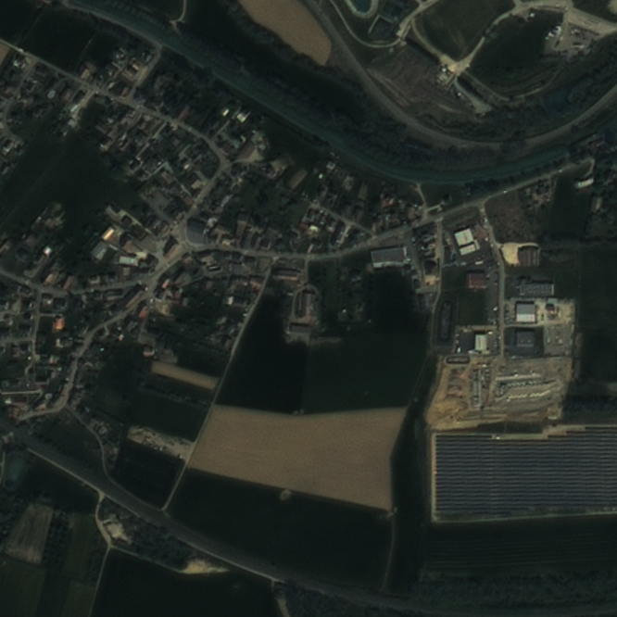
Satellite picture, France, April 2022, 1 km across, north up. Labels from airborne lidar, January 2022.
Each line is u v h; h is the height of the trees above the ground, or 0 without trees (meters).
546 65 0
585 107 23
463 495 0
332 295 0
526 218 0
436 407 0
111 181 0
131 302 0
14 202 0
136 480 0
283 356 0
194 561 0
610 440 0
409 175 0
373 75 0
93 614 0
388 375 0
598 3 0
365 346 0
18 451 12
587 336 0
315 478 0
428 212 0
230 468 0
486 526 0
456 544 0
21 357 0
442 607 0
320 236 0
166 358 0
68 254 0
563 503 0
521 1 0
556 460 0
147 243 0
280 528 0
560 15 0
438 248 0
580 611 0
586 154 17
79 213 0
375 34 0
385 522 0
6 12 0
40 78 7
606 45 0
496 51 0
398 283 0
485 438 0
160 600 0
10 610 0
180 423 0
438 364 0
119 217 0
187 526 0
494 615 0
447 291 0
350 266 0
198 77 17
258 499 0
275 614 0
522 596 21
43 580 0
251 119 11
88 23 0
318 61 0
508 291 0
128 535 0
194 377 0
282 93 29
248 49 0
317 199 0
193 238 0
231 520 0
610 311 0
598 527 0
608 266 0
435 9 0
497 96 0
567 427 0
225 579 0
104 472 0
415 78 0
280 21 0
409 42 12
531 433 0
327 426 0
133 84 7
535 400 0
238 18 17
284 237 6
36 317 0
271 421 0
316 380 0
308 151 0
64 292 0
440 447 0
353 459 0
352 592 0
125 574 0
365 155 0
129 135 7
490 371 0
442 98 0
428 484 0
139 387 6
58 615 0
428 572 0
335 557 0
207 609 0
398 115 0
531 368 0
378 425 0
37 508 0
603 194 9
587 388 15
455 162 25
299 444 0
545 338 0
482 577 0
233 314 0
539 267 0
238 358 0
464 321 0
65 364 10
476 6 0
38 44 0
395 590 0
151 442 0
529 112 19
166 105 13
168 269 0
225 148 0
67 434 0
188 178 14
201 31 0
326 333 0
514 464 0
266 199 22
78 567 0
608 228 0
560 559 0
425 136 0
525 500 0
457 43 0
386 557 0
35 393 0
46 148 0
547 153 0
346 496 0
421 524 0
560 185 0
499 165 0
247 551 0
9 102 0
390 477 0
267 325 0
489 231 0
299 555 0
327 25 0
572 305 0
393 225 0
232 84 0
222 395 0
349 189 0
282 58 11
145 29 0
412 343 0
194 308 0
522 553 0
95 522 0
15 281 0
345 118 21
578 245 18
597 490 0
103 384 0
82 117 0
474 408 0
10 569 0
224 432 0
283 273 0
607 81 9
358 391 0
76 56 0
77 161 0
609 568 0
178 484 0
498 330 0
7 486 12
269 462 0
